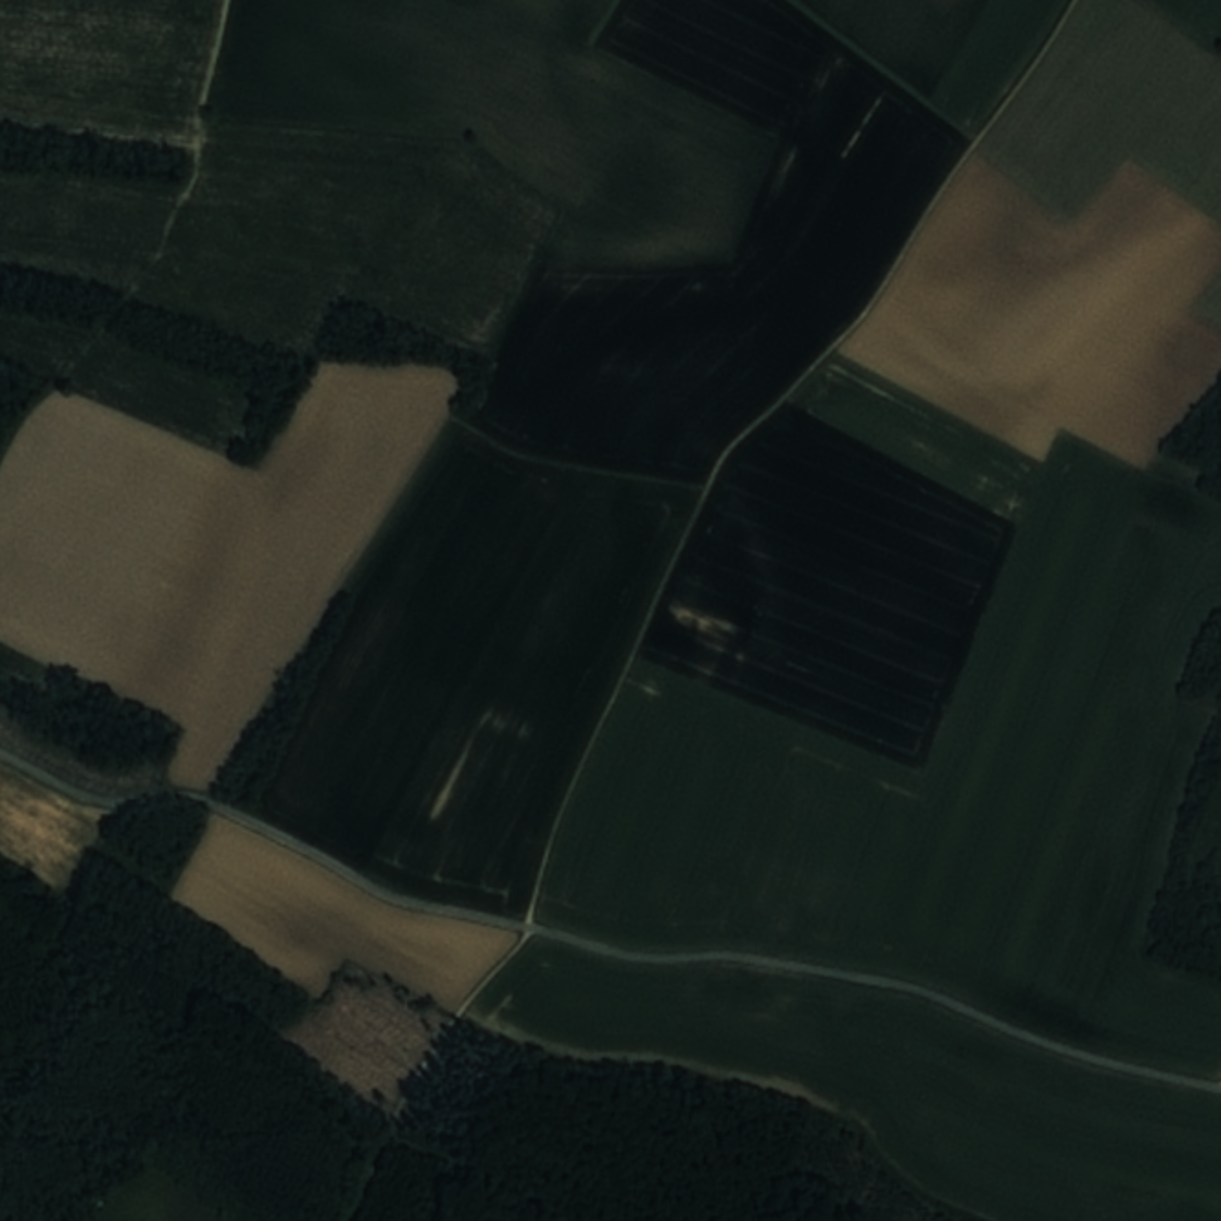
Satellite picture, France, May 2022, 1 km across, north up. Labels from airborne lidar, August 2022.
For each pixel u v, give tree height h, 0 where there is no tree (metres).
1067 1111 0
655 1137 25
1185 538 0
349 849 0
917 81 0
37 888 18
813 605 0
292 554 0
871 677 0
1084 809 0
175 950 29
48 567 0
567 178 0
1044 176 0
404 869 0
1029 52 0
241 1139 12
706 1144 25
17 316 28
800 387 0
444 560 0
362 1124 33
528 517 0
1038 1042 0
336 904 0
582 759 0
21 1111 19
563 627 0
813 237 0
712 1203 24
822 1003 0
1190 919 10
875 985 0
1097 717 0
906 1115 0
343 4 0
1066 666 0
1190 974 8
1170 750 0
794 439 0
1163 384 0
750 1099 17
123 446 0
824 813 0
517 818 0
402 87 0
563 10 0
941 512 0
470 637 0
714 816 0
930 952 0
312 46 0
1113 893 0
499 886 0
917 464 0
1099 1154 0
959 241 0
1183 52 0
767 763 0
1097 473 0
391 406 0
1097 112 0
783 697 0
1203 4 0
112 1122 26
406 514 0
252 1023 32
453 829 0
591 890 0
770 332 0
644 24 0
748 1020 0
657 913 0
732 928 0
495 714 0
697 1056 0
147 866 16
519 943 0
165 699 0
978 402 0
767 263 0
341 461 0
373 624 0
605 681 0
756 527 0
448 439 0
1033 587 0
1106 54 0
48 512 0
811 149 0
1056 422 0
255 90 0
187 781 0
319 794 0
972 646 0
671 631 0
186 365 19
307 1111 11
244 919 0
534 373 0
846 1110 0
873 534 0
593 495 0
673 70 0
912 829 0
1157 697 0
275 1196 22
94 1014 23
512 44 0
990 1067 0
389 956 0
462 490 0
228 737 0
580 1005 0
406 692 0
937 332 0
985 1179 0
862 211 0
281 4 0
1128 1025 0
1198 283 0
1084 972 0
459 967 0
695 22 0
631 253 0
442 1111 28
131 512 0
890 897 0
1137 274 0
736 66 0
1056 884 0
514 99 0
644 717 0
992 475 0
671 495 0
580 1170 27
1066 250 0
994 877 0
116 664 0
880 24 0
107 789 0
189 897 0
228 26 0
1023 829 0
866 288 0
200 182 0
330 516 0
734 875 0
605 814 0
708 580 0
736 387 0
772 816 0
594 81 0
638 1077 21
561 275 0
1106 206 0
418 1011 14
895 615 0
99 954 22
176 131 0
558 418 0
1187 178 0
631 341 0
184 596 0
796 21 0
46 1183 24
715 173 0
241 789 17
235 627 0
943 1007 0
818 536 0
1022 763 0
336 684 0
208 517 0
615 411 0
